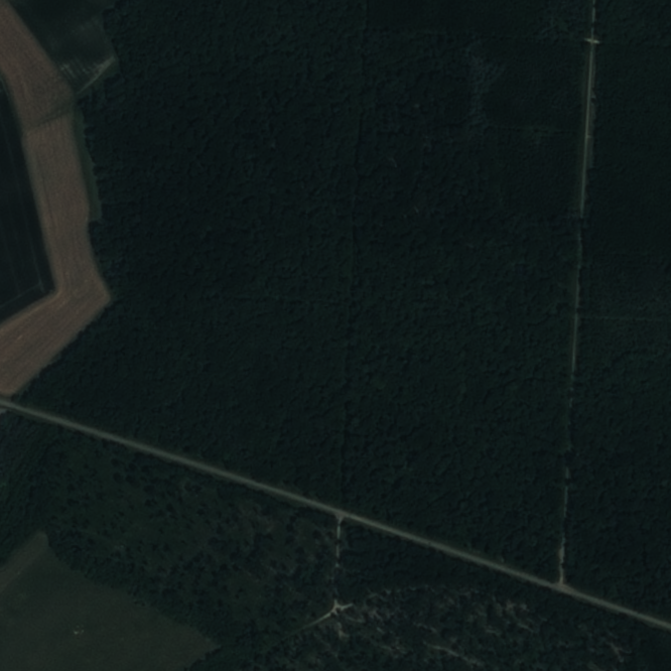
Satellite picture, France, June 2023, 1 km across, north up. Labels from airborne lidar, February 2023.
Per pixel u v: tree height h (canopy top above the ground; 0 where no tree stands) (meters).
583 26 20
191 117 34
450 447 25
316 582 24
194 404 20
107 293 0
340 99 26
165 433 23
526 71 12
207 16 27
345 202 23
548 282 23
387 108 28
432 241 23
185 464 0
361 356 17
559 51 8
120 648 0
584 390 15
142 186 28
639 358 17
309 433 25
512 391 22
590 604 0
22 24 0
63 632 0
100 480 18
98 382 23
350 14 23
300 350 21
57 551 16
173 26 26
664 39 24
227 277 22
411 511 24
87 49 0
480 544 23
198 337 19
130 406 22
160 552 19
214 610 19
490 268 21
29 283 0
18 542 6
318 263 20
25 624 0
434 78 31
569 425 0
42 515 20
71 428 0
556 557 18
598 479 27
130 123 28
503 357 21
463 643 20
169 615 12
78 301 0
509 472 21
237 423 23
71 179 0
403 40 26
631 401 21
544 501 21
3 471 18
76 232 0
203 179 30
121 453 24
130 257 25
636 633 25
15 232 0
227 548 22
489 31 11
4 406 0
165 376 22
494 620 21
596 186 14
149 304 22
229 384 17
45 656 0
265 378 23
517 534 24
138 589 13
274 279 20
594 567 23
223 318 19
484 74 26
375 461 24
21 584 0
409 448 21
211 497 0
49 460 23
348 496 25
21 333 0
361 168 25
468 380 27
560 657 20
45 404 18
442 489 27
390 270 20
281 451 21
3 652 0
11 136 0
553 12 20
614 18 22
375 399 25
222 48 27
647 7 19
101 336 24
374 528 0
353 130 23
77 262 0
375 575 27
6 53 0
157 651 0
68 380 20
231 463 20
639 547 27
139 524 0
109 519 0
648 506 28
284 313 21
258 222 27
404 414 27
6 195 0
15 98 0
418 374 26
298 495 0
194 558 0
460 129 28
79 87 0
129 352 24
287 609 21
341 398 28
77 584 0
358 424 19
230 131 32
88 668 0
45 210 0
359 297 21
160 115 31
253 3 22
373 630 19
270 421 22
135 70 23
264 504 24
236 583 0
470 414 22
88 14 0
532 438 21
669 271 13
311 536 0
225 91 28
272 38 26
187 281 26
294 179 28
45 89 0
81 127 0
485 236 22
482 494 21
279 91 27
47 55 0
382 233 25
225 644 9
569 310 21
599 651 24
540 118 11
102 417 24
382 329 21
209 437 22
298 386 22
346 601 24
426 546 0
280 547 0
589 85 0
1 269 0
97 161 19
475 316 19
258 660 18
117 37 19
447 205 30
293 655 20
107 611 0
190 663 0
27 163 0
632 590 27
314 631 0
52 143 0
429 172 28
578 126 9
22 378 0
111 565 12
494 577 24
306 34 24
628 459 26
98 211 0
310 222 26
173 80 27
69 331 0
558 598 20
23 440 15
